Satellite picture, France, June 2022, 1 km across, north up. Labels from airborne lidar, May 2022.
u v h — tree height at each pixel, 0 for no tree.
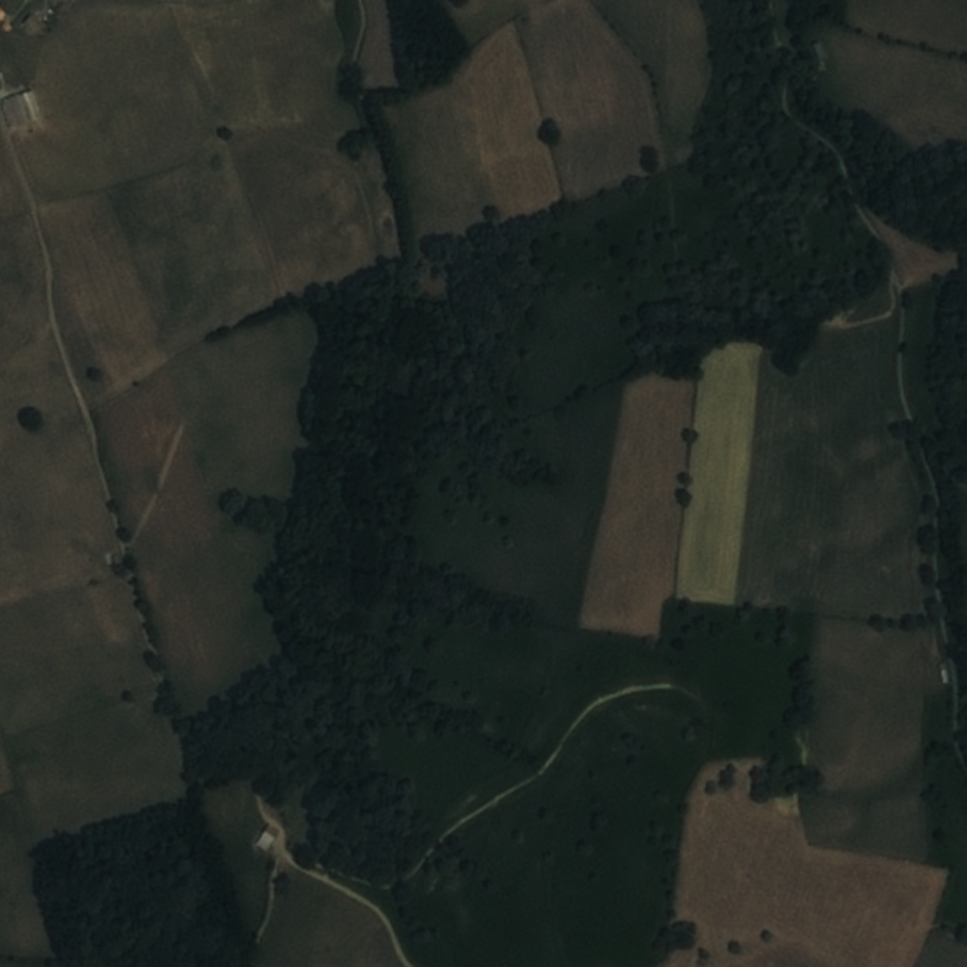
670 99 0
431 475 8
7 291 0
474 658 0
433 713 17
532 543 0
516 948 0
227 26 0
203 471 0
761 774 12
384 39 0
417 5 20
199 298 0
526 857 0
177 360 0
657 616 0
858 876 0
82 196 0
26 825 0
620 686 0
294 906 0
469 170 0
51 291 0
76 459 0
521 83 0
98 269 0
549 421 0
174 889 26
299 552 24
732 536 0
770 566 0
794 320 24
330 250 0
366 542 30
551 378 0
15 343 0
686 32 0
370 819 22
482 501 12
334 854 19
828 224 0
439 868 11
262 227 0
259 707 29
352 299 34
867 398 0
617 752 0
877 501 0
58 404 0
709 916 0
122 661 0
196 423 0
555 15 0
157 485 0
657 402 0
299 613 26
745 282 18
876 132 28
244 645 0
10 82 0
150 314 0
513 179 0
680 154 0
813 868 0
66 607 0
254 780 17
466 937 0
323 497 27
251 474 0
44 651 0
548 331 0
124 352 0
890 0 0
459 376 16
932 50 7
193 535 0
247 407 0
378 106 20
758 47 14
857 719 0
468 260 20
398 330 29
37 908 0
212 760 20
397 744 0
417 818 18
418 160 0
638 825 0
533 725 0
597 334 0
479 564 0
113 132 0
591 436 0
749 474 0
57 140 0
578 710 0
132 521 0
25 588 0
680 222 0
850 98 0
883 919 0
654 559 0
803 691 12
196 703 0
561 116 0
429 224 0
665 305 16
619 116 0
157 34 0
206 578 0
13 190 0
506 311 21
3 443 0
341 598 25
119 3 0
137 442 0
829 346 0
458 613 17
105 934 30
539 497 0
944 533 10
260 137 0
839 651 0
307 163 0
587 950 0
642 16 0
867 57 0
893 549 0
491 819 0
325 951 0
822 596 0
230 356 0
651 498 0
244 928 20
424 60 18
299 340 0
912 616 10
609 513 0
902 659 0
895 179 9
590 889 0
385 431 27
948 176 14
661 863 0
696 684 0
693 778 0
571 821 0
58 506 0
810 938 0
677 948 12
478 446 17
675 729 0
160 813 18
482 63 0
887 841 0
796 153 0
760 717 0
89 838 17
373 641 10
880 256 23
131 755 0
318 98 0
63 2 0
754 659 0
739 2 13
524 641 0
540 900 0
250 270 0
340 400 28
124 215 0
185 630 0
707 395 0
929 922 0
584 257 0
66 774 0
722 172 0
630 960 0
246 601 0
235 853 0
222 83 0
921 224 23
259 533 20
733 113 12
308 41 0
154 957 29
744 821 0
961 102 0
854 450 0
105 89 0
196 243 0
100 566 0
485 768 0
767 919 0
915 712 0
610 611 0
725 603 0
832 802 0
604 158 0
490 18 0
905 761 0
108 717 0
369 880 11
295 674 20
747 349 0
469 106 0
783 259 9
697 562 0
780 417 0
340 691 10
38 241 0
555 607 0
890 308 0
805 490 0
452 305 8
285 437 0
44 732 0
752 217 12
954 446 6
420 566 13
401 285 18
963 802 0
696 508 0
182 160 0
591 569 0
